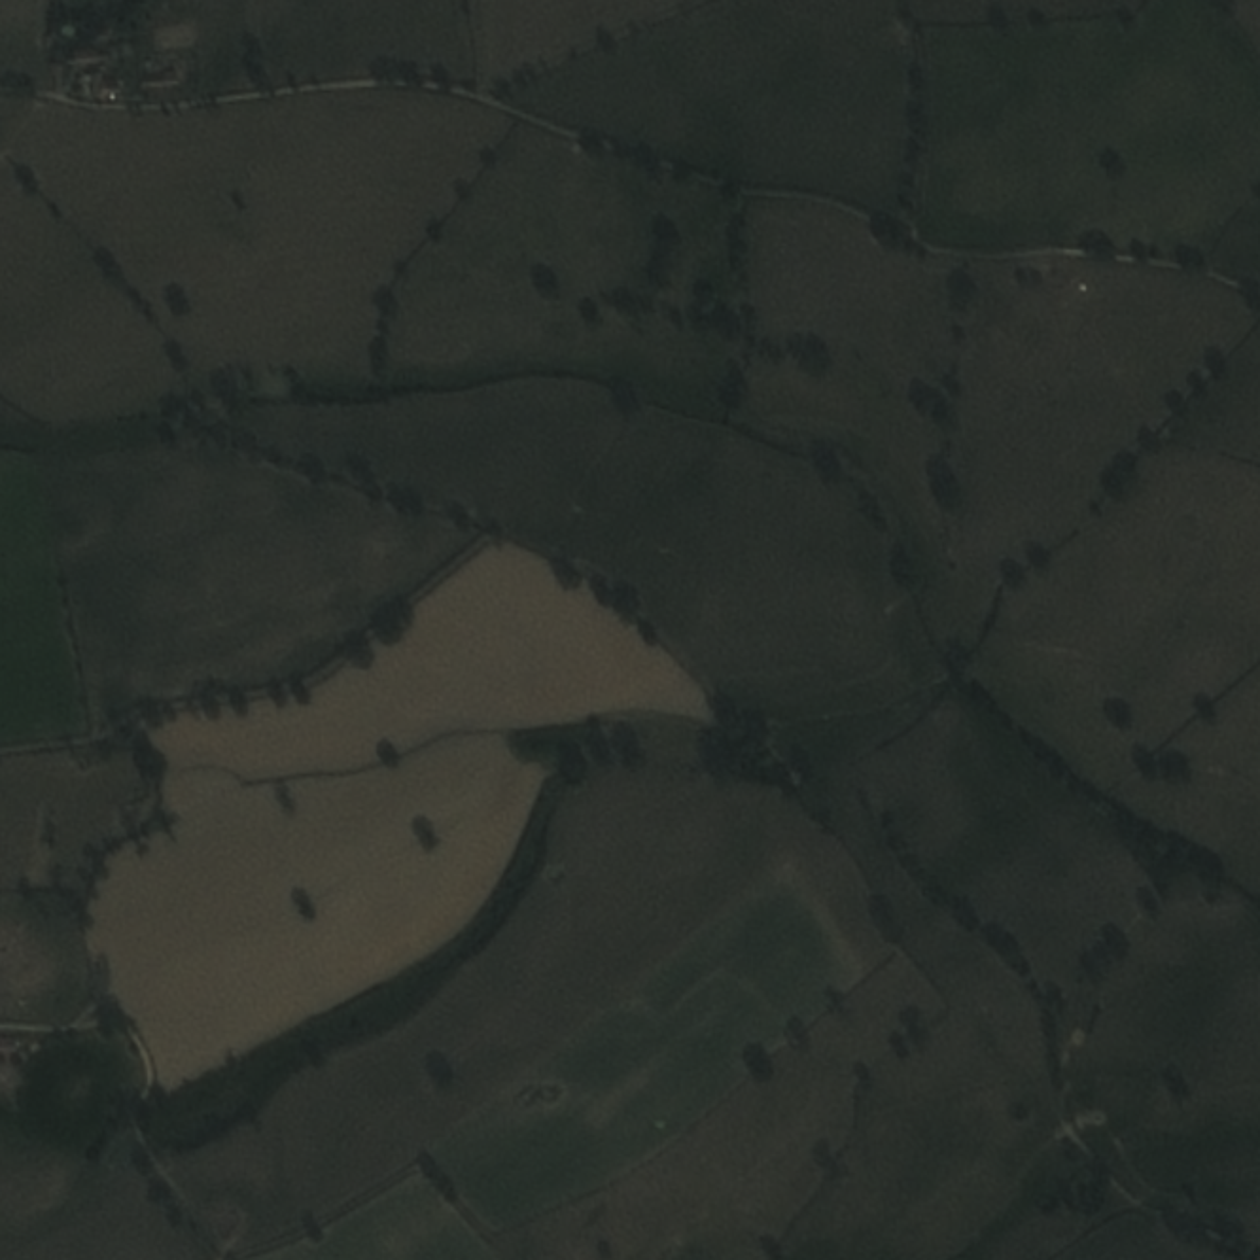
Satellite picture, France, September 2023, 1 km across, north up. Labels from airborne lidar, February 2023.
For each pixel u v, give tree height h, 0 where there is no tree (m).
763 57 0
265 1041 0
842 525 0
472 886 0
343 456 0
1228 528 0
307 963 0
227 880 0
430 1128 0
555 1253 0
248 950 0
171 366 12
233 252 0
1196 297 0
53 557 0
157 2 0
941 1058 0
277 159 0
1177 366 0
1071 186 0
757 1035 0
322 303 0
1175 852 14
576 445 0
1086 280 0
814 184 0
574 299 0
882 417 0
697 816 0
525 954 0
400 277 8
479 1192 0
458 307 0
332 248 0
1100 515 11
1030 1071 0
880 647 0
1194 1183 0
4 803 0
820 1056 0
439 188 0
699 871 0
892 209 0
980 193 0
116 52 0
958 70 0
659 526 0
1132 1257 0
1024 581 14
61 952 0
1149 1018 0
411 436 0
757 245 0
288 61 0
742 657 0
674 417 0
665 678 0
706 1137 0
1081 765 0
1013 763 0
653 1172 0
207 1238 0
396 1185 0
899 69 0
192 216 0
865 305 0
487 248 0
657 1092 0
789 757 0
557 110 0
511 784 0
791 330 0
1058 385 0
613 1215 0
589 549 0
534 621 0
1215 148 0
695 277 0
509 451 0
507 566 0
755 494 0
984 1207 0
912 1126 0
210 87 0
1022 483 0
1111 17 0
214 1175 0
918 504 0
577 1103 0
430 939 0
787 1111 0
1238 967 0
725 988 0
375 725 0
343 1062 0
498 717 0
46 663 0
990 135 0
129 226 0
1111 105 0
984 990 0
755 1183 0
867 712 0
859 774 0
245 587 0
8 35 0
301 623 0
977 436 0
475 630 0
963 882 0
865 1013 0
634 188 0
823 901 0
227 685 0
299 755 0
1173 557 0
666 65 0
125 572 0
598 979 0
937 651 8
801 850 0
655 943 0
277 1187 0
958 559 0
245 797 0
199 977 0
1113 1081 0
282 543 0
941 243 0
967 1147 0
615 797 0
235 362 0
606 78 0
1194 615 0
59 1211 0
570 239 0
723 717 17
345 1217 0
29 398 0
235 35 0
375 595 0
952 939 0
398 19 0
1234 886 6
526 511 0
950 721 0
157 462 0
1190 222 0
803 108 0
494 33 0
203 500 0
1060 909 0
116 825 0
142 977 0
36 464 0
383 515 0
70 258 0
